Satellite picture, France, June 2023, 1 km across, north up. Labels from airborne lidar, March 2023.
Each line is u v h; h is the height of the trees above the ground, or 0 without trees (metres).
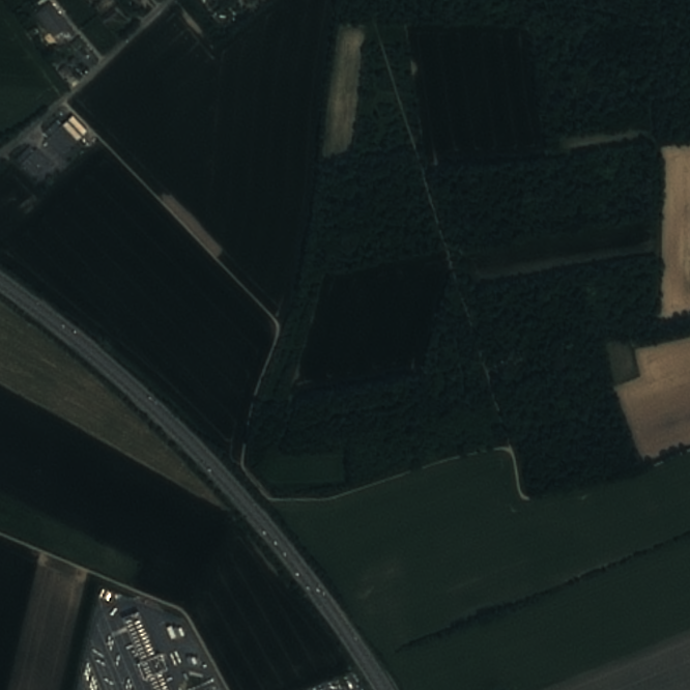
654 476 0
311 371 0
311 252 15
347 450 14
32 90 0
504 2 20
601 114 16
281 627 0
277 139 0
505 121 0
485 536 0
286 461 0
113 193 0
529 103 0
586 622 0
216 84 0
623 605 0
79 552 0
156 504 0
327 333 0
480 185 10
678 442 0
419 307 0
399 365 0
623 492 0
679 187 0
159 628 0
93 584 0
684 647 0
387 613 0
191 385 0
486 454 0
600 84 17
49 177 8
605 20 10
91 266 0
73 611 0
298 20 0
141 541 0
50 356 0
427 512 0
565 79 22
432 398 16
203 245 0
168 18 0
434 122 0
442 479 0
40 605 0
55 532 0
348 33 0
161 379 0
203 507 0
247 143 0
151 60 0
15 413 0
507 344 11
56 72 7
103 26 0
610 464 21
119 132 0
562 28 11
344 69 0
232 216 0
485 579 0
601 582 0
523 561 0
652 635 0
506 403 10
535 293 18
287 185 0
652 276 11
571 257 0
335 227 19
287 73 0
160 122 0
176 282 0
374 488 0
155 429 6
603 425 21
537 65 15
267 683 0
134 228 0
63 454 0
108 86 0
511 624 0
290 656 0
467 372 17
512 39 0
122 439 0
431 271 0
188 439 0
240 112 0
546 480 15
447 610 0
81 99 0
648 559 0
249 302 0
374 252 21
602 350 14
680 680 0
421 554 0
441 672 0
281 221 0
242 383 0
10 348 0
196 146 0
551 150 8
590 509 0
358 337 0
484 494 0
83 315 0
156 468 0
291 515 0
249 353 0
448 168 17
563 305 15
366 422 18
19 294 0
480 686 0
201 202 0
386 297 0
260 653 0
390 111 6
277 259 0
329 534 0
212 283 0
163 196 0
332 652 0
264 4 7
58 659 0
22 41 0
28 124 8
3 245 0
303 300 8
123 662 0
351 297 0
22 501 0
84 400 0
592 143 0
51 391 0
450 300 15
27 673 0
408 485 0
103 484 0
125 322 0
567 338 12
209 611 0
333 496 0
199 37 0
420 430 16
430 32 0
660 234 0
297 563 0
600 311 10
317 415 18
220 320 0
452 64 0
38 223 0
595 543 0
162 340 0
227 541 0
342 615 0
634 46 13
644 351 0
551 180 18
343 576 0
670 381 0
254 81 0
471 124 0
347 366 0
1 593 0
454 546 0
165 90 0
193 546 0
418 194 14
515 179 18
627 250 0
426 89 0
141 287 0
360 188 24
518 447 10
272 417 16
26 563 0
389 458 11
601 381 19
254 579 0
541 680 0
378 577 0
